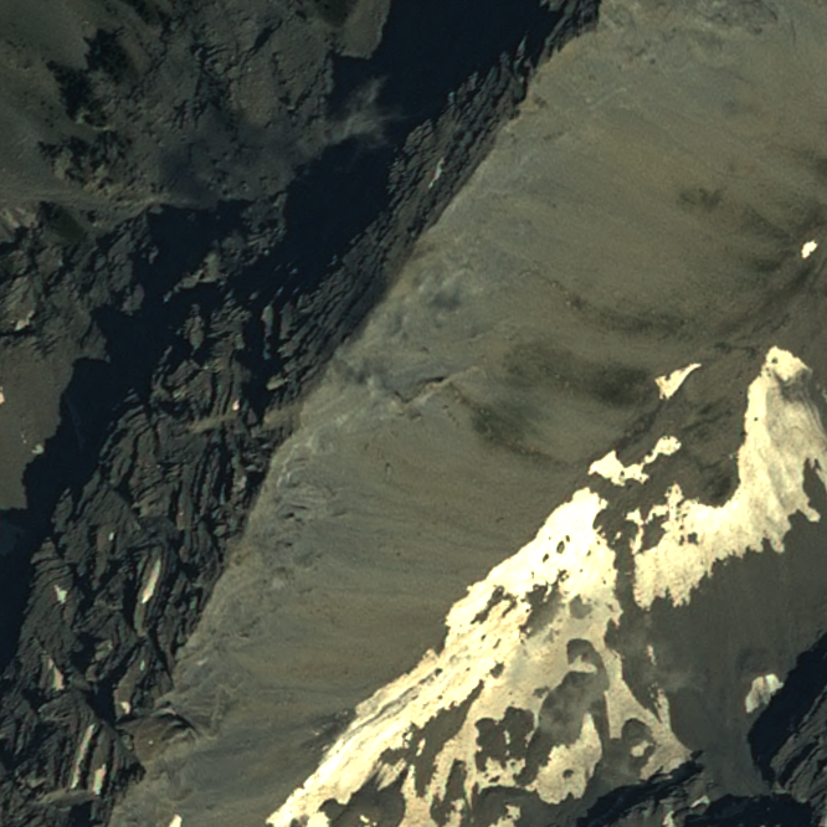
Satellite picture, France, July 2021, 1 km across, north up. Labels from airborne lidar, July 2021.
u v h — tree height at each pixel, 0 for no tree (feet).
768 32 0
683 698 0
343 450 0
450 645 0
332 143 0
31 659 0
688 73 0
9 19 0
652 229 0
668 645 0
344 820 0
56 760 0
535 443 0
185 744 0
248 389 0
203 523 0
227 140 0
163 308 0
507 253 0
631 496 0
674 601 0
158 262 0
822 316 0
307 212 0
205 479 0
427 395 0
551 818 0
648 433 0
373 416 0
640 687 0
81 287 0
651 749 0
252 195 0
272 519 0
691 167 0
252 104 0
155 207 0
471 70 0
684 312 0
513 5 0
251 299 0
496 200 0
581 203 0
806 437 0
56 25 0
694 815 0
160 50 0
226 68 0
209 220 0
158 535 0
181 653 0
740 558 0
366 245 0
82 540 0
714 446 0
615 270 0
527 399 0
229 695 0
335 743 0
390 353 0
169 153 0
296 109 0
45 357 0
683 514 0
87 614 0
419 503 0
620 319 0
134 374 0
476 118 0
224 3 0
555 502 0
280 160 0
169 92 0
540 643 0
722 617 0
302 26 0
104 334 0
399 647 0
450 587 0
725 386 0
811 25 0
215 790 0
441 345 0
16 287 0
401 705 0
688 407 0
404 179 0
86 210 0
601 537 0
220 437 0
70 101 27
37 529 0
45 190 0
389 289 0
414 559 0
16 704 0
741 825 0
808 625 0
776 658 0
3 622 0
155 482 0
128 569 0
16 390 0
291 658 0
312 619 0
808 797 0
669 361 0
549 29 0
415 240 0
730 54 0
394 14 0
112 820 0
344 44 0
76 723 0
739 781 0
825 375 0
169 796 0
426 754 0
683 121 0
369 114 0
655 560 0
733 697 0
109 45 40
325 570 0
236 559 0
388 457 0
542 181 0
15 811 0
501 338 0
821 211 0
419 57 0
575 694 0
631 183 0
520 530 0
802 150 0
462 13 0
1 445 0
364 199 0
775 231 0
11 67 0
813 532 0
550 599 0
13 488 0
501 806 0
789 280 0
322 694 0
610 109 0
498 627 0
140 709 0
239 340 0
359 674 0
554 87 0
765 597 0
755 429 0
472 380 0
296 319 0
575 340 0
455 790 0
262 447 0
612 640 0
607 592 0
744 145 0
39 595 0
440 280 0
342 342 0
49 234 0
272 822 0
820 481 0
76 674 0
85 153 28
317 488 0
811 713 0
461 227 0
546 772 0
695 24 0
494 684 0
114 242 0
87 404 0
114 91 0
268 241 0
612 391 0
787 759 0
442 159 0
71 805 0
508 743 0
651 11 0
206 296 0
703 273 0
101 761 0
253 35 0
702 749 0
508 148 0
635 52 0
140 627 0
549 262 0
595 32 0
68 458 0
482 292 0
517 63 0
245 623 0
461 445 0
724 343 0
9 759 0
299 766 0
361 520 0
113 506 0
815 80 0
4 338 0
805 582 0
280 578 0
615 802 0
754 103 0
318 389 0
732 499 0
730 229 0
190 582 0
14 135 0
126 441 0
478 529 0
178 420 0
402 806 0
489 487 0
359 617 0
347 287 0
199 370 0
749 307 0
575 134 0
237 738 0
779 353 0
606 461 0
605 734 0
